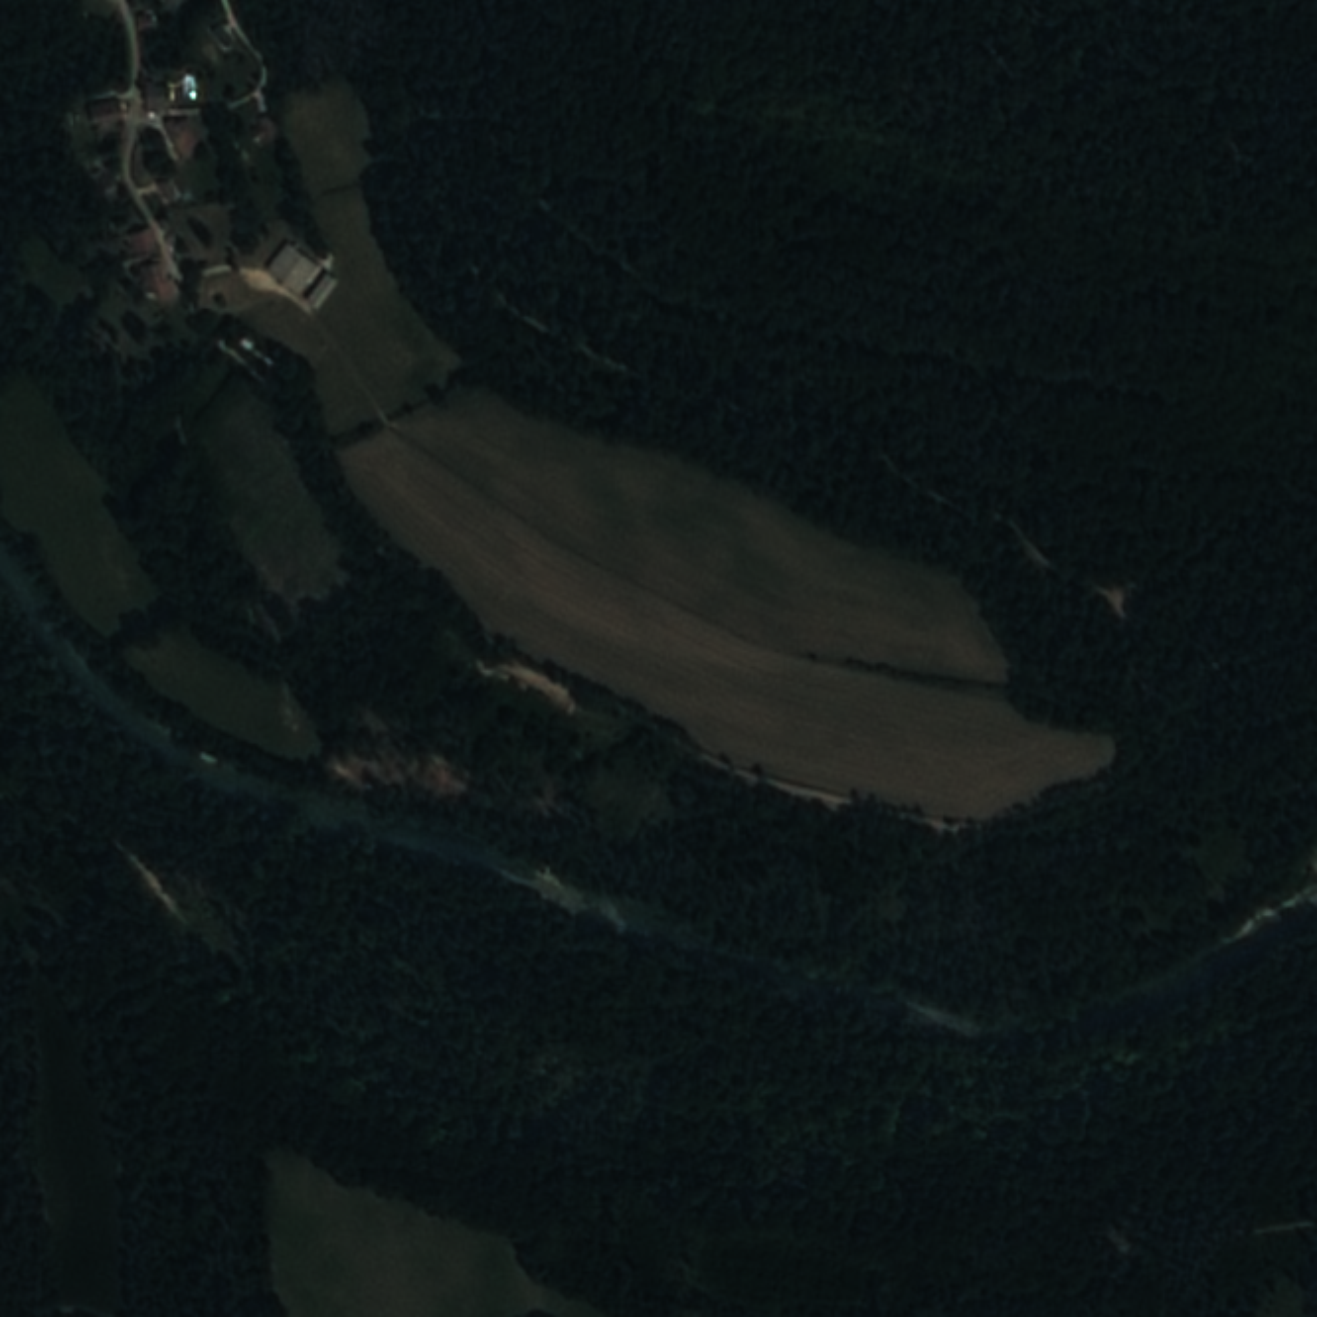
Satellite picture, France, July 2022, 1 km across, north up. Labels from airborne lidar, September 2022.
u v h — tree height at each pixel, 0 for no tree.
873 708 0
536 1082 13
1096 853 22
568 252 31
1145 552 24
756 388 28
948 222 26
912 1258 19
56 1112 0
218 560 22
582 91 26
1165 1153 25
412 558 16
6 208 28
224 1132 25
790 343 27
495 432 0
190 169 0
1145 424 29
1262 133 28
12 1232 13
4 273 33
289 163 19
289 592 0
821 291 30
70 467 0
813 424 8
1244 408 29
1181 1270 23
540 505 0
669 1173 29
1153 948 18
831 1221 35
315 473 24
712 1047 10
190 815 30
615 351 14
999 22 23
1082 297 24
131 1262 10
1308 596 15
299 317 0
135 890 28
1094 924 13
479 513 0
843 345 29
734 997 24
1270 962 29
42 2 19
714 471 20
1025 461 26
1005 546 8
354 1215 0
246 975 29
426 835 0
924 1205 32
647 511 0
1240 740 28
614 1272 12
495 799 26
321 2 20
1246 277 27
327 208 0
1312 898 0
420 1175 28
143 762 33
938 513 17
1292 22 27
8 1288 22
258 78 6
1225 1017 16
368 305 0
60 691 13
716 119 23
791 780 0
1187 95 27
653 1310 14
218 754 28
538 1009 25
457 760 21
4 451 0
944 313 33
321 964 11
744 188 21
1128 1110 28
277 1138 24
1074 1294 17
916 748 0
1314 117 24
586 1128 27
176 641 0
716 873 9
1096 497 25
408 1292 0
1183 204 20
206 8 12
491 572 0
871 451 19
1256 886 16
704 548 0
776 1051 26
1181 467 23
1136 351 26
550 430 0
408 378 0
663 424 25
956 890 29
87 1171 0
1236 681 27
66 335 26
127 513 29
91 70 30
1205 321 29
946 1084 31
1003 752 0
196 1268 15
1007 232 28
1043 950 25
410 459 0
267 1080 27
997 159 19
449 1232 0
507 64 30
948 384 30
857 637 0
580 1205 25
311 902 32
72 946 25
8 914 0
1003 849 32
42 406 0
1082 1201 31
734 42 24
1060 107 29
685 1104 15
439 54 30
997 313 27
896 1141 33
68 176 9
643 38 25
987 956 23
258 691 0
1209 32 27
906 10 25
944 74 20
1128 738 20
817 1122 15
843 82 20
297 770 17
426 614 24
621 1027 10
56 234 32
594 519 0
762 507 0
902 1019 17
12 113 24
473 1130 28
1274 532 26
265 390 21
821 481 24
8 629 7
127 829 33
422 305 22
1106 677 20
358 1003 14
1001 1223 21
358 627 13
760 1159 21
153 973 36
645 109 19
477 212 30
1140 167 22
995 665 0
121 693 27
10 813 34
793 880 22
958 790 0
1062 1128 27
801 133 11
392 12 27
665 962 22
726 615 0
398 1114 32
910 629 0
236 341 7
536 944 25
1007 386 30
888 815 17
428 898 9
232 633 16
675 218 29
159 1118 13
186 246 9
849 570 0
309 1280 0
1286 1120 33
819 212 26
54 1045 0
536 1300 0
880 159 11
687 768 9
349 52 21
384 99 21
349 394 0
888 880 10
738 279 28
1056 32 24
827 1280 6
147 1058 25
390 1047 20
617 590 0
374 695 24
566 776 18
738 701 0
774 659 0
